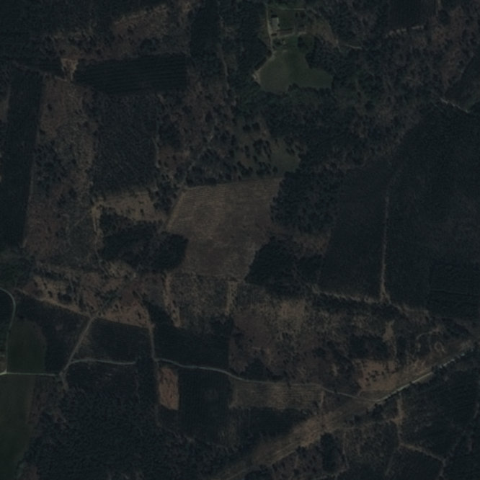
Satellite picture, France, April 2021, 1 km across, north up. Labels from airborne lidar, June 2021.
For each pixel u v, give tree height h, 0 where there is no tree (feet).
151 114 56
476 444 45
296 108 35
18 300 20
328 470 51
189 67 20
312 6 53
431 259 37
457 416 22
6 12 31
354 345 33
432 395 18
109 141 43
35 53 33
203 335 20
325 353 31
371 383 48
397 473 22
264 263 31
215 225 0
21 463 26
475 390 33
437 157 46
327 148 59
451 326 57
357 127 46
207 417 28
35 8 49
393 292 39
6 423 0
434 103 18
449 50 53
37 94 29
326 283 28
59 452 67
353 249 30
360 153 60
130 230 28
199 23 37
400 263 41
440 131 49
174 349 25
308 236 25
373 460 23
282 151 0
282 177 0
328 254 29
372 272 30
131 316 0
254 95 47
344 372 28
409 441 22
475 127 46
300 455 35
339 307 26
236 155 55
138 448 57
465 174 43
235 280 26
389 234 39
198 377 27
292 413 22
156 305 30
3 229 33
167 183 70
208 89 0
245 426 20
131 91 27
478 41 37
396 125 29
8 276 0
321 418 0
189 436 25
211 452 52
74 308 0
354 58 59
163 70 29
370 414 37
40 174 22
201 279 18
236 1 62
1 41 54
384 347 30
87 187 24
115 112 55
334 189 61
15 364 0
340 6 52
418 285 31
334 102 41
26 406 0
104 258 26
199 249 0
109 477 62
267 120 34
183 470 60
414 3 24
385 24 46
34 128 31
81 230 37
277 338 0
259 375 43
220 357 22
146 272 35
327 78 0
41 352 0
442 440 31
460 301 50
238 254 0
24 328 0
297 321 0
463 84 38
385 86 69
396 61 33
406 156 38
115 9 53
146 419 58
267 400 0
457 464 54
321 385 0
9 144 40
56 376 19
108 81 21
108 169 49
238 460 45
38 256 38
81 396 71
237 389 0
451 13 34
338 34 56
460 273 64
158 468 51
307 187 47
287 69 0
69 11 52
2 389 0
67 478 53
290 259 36
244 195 0
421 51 25
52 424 61
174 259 34
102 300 26
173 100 52
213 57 75
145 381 47
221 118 0
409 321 25
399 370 23
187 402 25
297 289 27
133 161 52
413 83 40
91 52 42
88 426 68
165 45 22
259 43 67
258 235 0
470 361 49
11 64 43
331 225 56
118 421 61
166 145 69
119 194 53
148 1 41
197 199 0
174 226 0
